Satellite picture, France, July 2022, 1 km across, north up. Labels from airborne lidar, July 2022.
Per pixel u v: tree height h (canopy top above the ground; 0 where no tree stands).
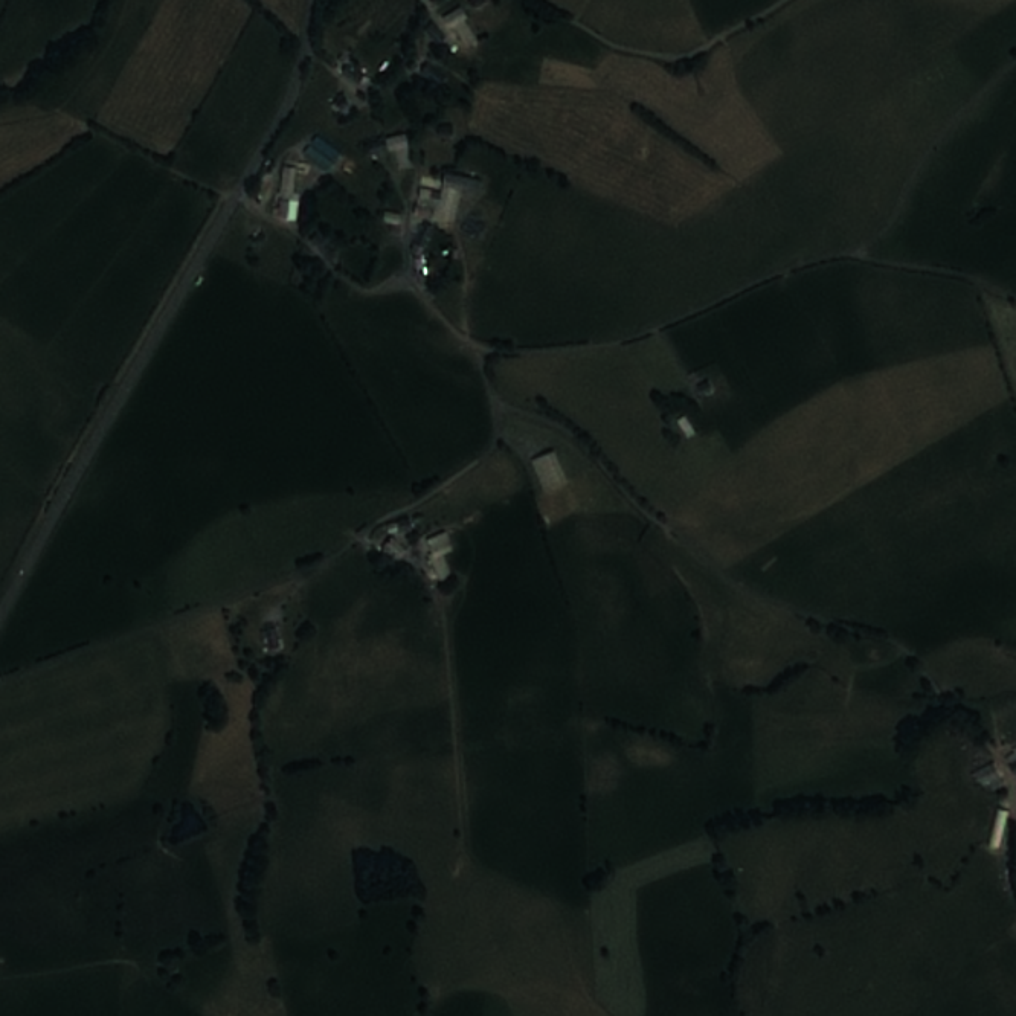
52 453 0
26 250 0
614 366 0
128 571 0
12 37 0
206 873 0
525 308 0
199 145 0
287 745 0
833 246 0
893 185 0
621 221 0
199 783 0
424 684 0
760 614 0
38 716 0
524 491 0
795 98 0
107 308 0
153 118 0
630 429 0
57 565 0
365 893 23
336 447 0
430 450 0
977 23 0
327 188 17
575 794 0
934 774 0
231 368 0
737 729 0
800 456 0
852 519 0
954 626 0
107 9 10
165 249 0
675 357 0
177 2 0
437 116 12
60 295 0
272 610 0
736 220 0
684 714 0
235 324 0
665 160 0
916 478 0
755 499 0
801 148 0
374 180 0
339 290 8
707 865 0
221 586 0
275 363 0
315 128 0
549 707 0
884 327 0
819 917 11
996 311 0
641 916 0
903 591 0
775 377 0
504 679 0
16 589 0
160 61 0
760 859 0
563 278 0
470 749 0
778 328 0
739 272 0
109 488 0
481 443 0
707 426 0
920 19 0
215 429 0
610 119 0
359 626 0
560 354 0
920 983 0
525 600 0
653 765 0
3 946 0
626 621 0
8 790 0
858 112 0
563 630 0
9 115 0
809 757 0
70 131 0
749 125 0
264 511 0
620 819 0
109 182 0
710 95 0
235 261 0
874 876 0
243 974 0
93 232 0
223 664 0
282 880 0
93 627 0
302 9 0
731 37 0
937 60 0
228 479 0
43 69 19
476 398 0
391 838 0
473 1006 0
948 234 0
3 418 0
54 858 0
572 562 0
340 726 0
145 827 0
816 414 0
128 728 0
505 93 0
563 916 0
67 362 0
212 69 0
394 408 0
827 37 0
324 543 0
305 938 0
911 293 0
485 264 0
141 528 0
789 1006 0
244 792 0
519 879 0
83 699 0
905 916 0
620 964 0
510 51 0
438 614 0
